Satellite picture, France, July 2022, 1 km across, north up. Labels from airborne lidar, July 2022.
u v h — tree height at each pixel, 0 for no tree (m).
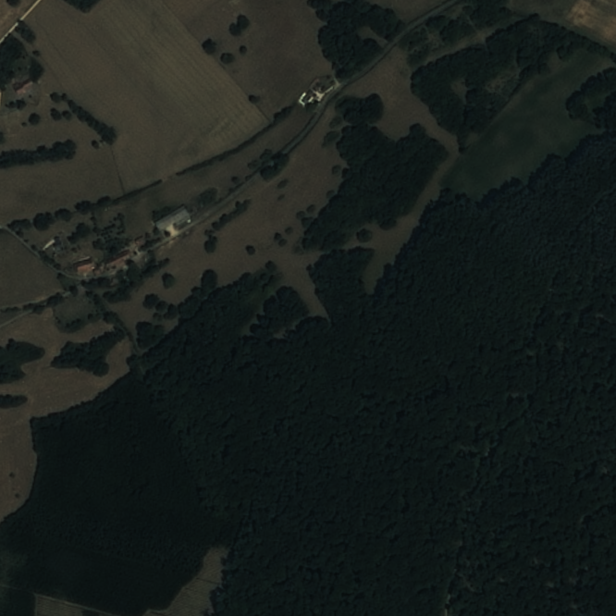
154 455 15
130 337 8
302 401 25
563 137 0
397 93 0
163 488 13
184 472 14
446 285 23
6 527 10
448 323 19
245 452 19
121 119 0
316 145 0
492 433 12
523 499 25
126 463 14
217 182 0
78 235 10
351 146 18
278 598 22
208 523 10
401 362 24
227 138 0
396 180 17
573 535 21
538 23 14
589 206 25
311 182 0
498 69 15
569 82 0
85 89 0
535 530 25
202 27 0
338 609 26
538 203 28
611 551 23
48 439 15
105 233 8
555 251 25
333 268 19
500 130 0
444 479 26
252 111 0
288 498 24
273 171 18
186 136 0
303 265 0
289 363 19
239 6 0
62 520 11
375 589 20
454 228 23
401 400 12
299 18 0
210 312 24
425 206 0
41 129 0
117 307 0
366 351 23
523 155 0
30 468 0
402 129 0
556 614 20
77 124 0
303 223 9
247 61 0
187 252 0
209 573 0
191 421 23
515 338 25
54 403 0
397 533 26
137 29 0
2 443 0
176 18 0
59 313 0
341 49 19
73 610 0
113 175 0
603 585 25
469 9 8
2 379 16
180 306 12
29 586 7
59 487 11
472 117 21
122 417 14
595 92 29
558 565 22
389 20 20
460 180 0
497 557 21
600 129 18
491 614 22
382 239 0
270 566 24
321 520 28
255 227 0
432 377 11
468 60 21
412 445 21
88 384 0
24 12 0
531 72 21
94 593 8
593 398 22
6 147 0
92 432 12
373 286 0
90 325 0
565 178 26
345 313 19
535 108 0
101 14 0
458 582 18
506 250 20
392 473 28
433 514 24
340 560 25
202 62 0
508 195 19
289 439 22
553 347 26
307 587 26
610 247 24
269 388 25
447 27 14
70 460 14
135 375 14
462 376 23
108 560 10
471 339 20
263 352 24
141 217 0
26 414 0
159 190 0
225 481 25
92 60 0
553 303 22
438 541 21
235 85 0
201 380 23
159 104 0
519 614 21
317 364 22
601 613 22
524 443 24
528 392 25
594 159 29
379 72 0
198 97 0
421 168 19
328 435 22
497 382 22
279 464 28
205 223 0
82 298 0
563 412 17
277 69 0
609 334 23
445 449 26
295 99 0
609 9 0
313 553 22
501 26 0
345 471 24
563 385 19
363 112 19
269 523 25
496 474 21
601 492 26
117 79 0
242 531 20
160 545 14
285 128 0
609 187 24
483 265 21
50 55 0
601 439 22
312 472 24
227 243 0
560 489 24
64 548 7
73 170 0
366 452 24
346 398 22
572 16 0
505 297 20
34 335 0
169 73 0
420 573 23
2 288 0
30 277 0
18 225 15
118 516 9
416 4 0
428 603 20
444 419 26
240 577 24
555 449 24
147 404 13
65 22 0
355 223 8
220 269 0
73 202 0
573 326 19
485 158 0
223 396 24
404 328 26
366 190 18
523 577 16
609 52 14
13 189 0
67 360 13
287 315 21
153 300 15
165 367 20
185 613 0
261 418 25
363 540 33
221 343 26
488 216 21
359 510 22
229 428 26
